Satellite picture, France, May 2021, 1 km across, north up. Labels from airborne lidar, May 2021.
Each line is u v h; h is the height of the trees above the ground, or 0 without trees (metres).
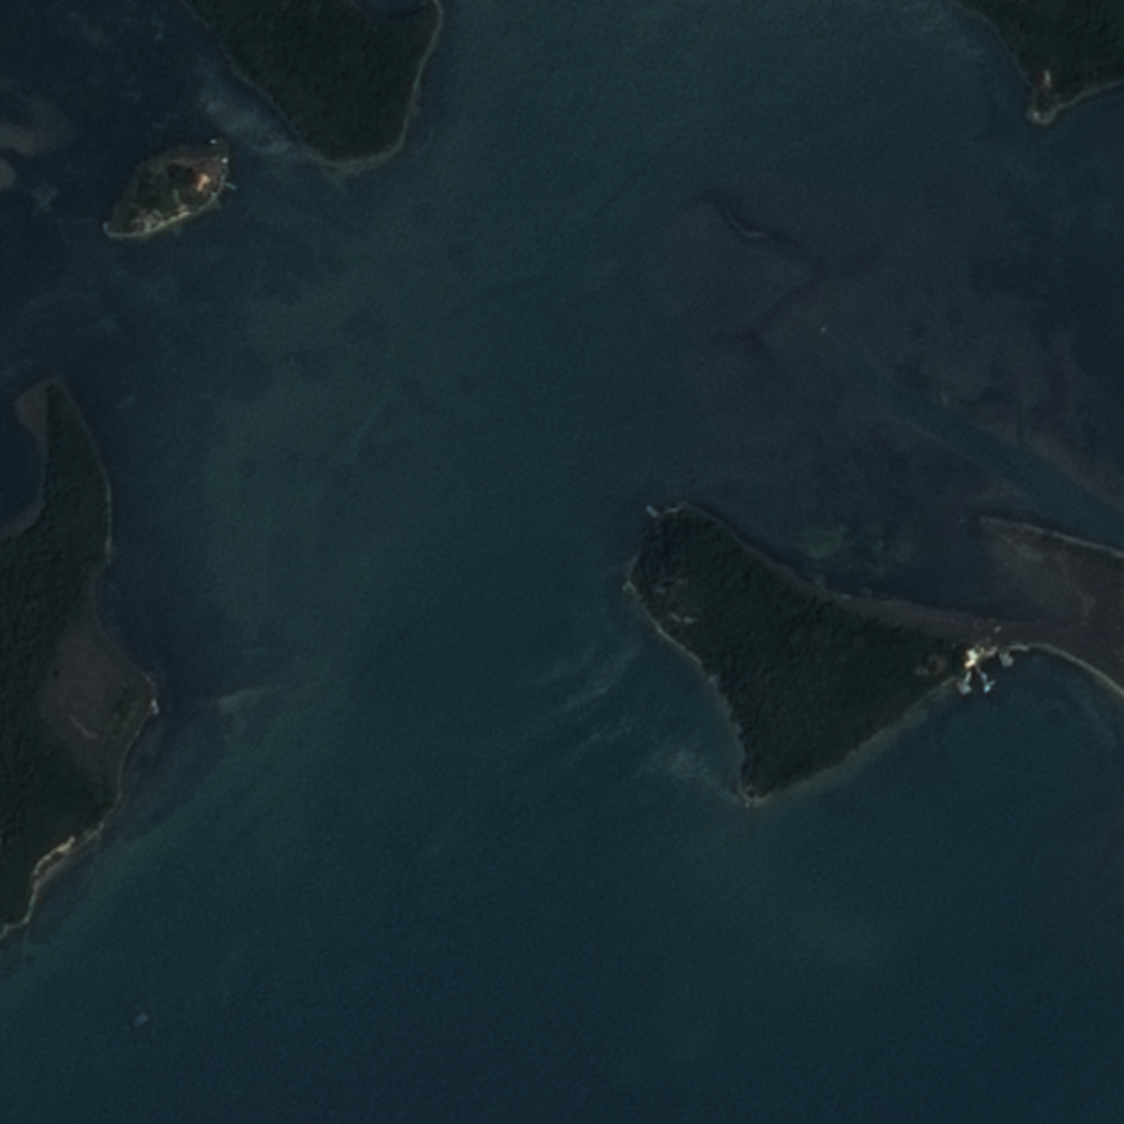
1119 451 0
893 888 0
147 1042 0
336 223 0
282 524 0
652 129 0
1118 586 0
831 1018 0
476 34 0
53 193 0
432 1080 0
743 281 0
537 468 0
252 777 0
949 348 0
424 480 0
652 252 0
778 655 8
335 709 0
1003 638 0
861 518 0
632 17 0
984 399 0
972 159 0
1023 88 0
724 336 0
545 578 0
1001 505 0
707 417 0
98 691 0
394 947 0
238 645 0
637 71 0
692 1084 0
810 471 0
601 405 0
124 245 0
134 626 0
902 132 0
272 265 0
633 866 0
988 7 8
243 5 6
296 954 0
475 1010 0
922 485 0
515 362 0
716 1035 0
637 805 0
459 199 0
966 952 0
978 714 0
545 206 0
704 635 8
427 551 0
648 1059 0
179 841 0
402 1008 0
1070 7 7
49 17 0
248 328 0
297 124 7
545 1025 0
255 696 0
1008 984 0
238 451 0
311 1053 0
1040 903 0
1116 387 0
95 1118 0
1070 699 0
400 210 0
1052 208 0
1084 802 0
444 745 0
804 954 0
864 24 0
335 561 0
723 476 0
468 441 0
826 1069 0
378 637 0
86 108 0
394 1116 0
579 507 0
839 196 0
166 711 0
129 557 0
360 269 0
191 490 0
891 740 0
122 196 0
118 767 0
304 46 7
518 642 0
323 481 0
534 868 0
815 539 0
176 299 0
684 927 0
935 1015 0
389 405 0
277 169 0
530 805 0
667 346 0
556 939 0
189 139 0
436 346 0
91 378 0
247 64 8
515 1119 0
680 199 0
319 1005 0
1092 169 0
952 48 0
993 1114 0
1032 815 0
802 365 0
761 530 0
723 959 0
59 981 0
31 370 0
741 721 6
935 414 0
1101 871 0
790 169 0
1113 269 0
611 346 0
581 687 0
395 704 0
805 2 0
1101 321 0
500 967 0
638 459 0
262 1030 0
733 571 10
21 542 5
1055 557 0
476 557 0
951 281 0
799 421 0
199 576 0
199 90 0
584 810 0
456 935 0
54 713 0
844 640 6
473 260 0
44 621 12
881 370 0
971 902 0
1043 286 0
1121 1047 0
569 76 0
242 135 0
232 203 0
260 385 0
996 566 0
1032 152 0
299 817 0
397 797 0
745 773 7
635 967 0
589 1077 0
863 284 0
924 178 0
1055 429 0
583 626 0
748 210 0
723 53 0
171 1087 0
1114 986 0
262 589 0
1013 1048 0
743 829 0
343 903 0
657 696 0
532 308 0
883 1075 0
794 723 6
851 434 0
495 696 0
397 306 0
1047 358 0
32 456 0
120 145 0
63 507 5
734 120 0
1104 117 0
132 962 0
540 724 0
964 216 0
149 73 0
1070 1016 0
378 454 0
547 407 0
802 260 0
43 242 0
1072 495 0
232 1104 0
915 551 0
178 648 0
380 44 8
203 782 0
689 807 0
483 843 0
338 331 0
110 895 0
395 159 0
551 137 0
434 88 0
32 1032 0
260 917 0
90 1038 0
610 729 0
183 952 0
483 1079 0
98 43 0
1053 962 0
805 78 0
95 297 0
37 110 0
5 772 9
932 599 0
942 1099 0
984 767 0
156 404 0
